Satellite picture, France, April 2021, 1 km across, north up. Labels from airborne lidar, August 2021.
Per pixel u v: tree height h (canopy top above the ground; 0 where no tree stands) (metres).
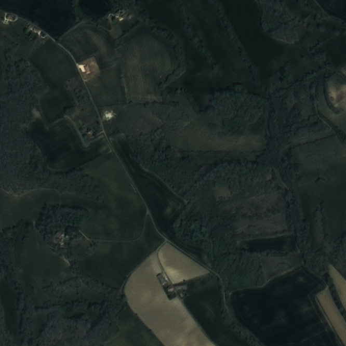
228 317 19
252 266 12
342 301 0
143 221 0
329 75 5
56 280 0
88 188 20
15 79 20
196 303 0
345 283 0
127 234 0
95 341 16
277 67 0
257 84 17
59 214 20
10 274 29
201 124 0
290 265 0
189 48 0
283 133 16
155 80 0
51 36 0
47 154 0
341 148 0
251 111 24
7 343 26
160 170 10
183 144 0
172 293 8
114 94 0
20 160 16
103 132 0
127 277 6
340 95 0
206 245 17
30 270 0
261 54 0
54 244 12
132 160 0
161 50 0
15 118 20
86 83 0
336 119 0
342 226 0
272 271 0
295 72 0
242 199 13
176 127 13
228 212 6
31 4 0
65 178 16
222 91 14
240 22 0
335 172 0
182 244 0
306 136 18
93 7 0
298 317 0
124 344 0
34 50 0
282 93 19
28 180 14
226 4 0
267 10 5
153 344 0
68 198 0
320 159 0
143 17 17
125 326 0
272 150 17
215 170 21
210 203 9
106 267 0
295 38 21
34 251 0
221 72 0
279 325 0
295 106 6
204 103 0
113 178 0
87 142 0
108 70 0
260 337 0
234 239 17
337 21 7
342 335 0
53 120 0
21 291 25
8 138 20
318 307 0
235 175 25
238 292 0
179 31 0
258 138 0
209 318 0
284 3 14
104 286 13
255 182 17
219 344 0
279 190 12
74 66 0
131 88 0
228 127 13
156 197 0
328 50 0
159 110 19
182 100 0
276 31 16
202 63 0
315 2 0
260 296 0
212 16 0
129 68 0
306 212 0
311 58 0
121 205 0
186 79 0
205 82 0
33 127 0
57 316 23
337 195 0
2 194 0
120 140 0
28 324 19
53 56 0
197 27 0
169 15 0
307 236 20
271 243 0
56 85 0
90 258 0
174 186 8
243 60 14
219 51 0
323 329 0
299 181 0
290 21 12
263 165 16
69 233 12
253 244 0
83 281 9
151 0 12
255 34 0
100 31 0
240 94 16
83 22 11
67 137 0
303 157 0
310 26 18
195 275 0
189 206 16
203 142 0
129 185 0
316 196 0
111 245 0
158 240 0
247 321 0
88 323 17
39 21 0
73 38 0
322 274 18
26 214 0
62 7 0
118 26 0
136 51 0
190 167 8
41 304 0
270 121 16
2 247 24
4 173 13
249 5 0
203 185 6
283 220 5
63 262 0
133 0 14
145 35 0
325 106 0
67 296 0
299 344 0
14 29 0
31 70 14
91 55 0
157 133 12
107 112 0
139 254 0
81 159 0
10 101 20
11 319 0
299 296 0
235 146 0
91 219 0
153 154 11
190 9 0
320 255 9
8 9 0
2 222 0
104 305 16
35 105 21
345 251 20
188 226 14
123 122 0
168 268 0
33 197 0
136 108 0
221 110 20
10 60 23
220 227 8
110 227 0
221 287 14
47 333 17
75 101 10
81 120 0
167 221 0
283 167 27
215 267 10
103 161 0
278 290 0
